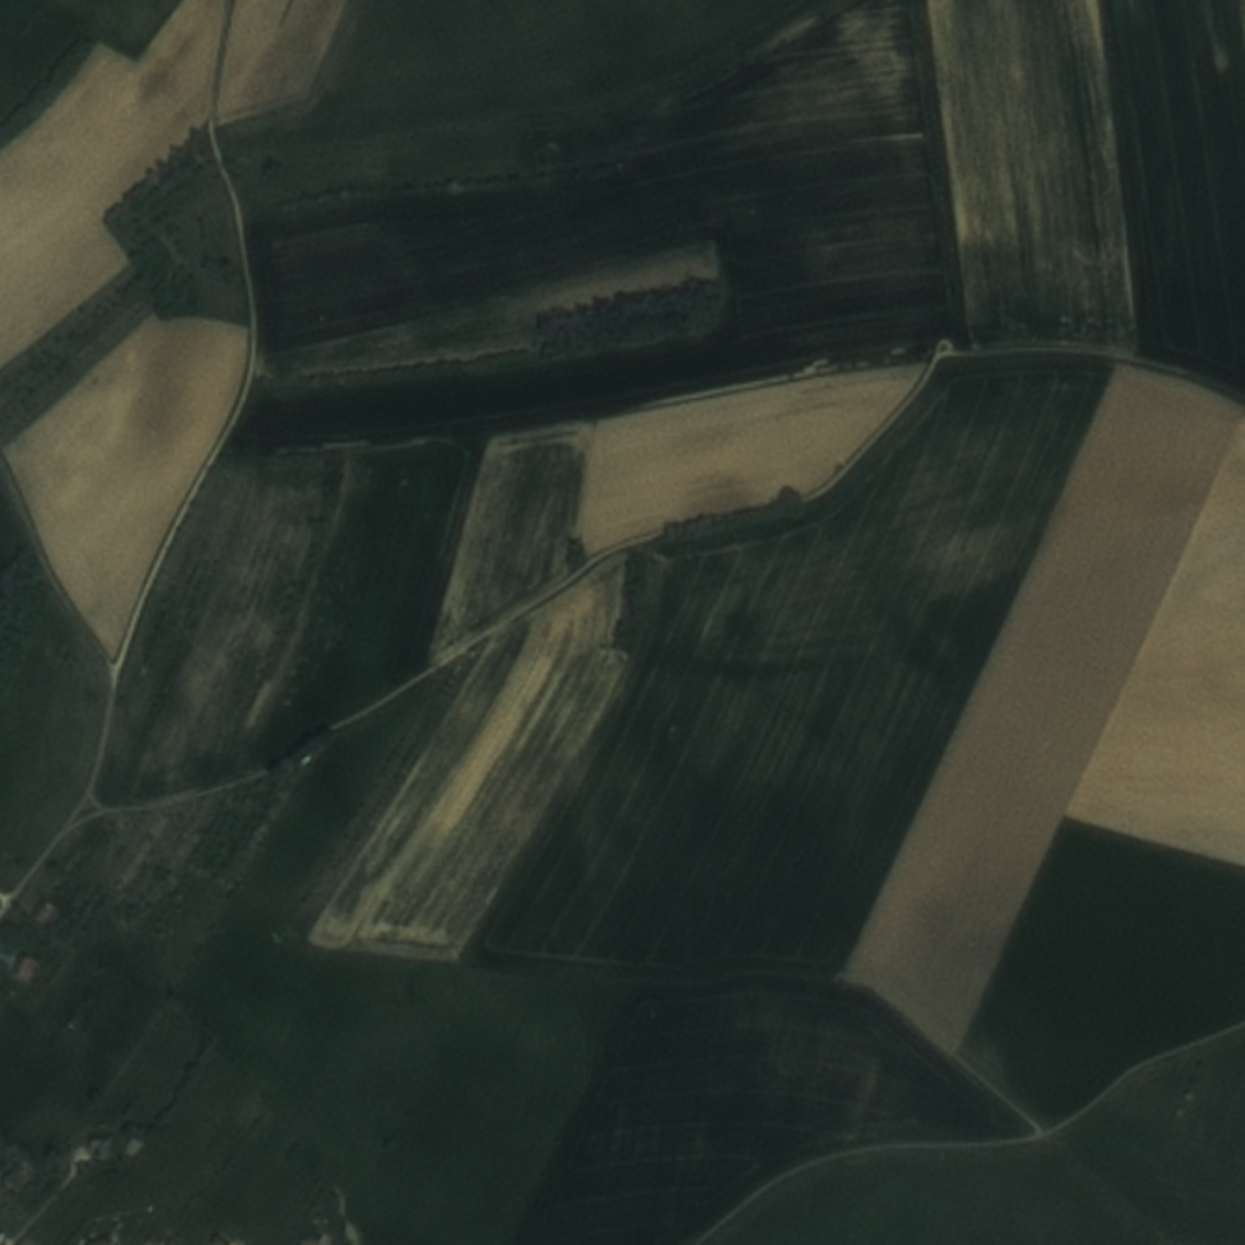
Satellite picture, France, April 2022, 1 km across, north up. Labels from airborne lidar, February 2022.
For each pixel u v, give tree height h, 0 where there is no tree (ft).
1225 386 0
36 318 0
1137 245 0
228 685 0
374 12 0
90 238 0
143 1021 0
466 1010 0
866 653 0
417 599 0
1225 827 0
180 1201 0
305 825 0
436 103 0
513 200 0
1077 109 0
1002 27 0
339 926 0
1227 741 0
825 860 0
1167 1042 0
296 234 0
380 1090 0
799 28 0
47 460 0
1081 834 0
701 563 0
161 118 0
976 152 0
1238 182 0
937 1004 0
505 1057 0
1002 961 0
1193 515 0
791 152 0
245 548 0
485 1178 0
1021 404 0
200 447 0
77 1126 0
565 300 0
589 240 0
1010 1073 0
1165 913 0
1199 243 0
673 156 0
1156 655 0
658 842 0
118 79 0
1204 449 0
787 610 0
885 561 0
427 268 0
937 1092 0
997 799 0
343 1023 0
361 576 0
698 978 0
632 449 0
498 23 0
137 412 0
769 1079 0
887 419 0
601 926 0
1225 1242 0
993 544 0
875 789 0
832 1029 0
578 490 0
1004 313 0
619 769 0
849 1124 0
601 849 0
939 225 0
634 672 0
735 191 0
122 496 0
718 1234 0
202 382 0
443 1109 0
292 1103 0
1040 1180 0
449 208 0
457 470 0
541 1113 0
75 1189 0
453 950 0
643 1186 0
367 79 0
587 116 0
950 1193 0
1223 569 0
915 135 0
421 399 0
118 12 0
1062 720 0
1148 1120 0
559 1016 0
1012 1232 0
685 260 0
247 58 0
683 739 0
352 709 0
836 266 0
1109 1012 0
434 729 0
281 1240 0
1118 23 0
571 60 0
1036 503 0
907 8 0
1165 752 0
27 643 53
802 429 0
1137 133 0
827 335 0
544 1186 0
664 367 0
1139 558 0
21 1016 0
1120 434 0
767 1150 0
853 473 0
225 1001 0
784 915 0
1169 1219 0
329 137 0
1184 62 0
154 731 0
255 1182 0
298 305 0
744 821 0
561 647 0
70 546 0
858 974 0
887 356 0
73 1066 0
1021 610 0
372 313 0
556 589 0
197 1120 0
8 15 0
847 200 0
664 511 0
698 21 0
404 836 0
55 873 37
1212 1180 0
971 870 0
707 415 0
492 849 0
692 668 0
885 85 0
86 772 0
